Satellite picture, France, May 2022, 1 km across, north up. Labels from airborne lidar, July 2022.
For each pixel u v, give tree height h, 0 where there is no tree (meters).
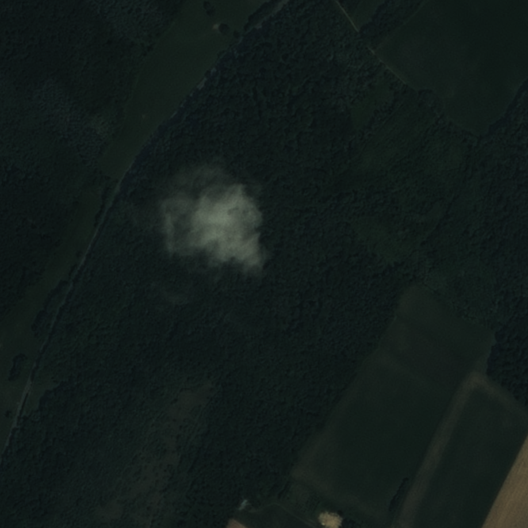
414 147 7
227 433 15
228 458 13
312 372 18
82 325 15
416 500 0
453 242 19
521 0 0
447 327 0
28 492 10
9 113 15
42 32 19
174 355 13
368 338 15
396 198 10
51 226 21
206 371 7
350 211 17
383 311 16
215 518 12
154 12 23
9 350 0
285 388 12
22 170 6
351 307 14
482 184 12
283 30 21
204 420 5
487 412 0
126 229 21
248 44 23
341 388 12
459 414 0
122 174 0
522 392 24
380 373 0
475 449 0
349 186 11
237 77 26
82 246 0
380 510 0
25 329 0
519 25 0
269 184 18
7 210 17
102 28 14
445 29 0
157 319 18
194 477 11
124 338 21
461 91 0
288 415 17
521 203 11
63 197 13
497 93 0
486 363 0
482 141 13
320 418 18
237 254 12
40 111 26
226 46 0
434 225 6
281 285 12
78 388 17
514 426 0
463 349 0
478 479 0
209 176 18
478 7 0
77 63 8
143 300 20
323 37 20
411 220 9
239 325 14
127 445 6
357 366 16
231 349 16
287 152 20
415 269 10
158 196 23
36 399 0
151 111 0
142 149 0
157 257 19
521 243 20
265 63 26
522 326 27
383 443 0
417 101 9
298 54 22
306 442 12
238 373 14
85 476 6
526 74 0
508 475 0
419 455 0
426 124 6
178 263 22
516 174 13
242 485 15
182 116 24
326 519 0
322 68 27
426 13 0
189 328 14
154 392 13
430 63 0
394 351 0
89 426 11
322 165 24
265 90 23
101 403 7
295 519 0
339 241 16
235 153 20
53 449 12
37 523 14
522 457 0
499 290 15
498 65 0
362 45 16
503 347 17
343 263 20
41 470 12
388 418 0
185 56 0
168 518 0
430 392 0
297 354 17
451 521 0
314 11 18
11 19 20
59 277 0
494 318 16
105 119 23
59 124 24
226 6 0
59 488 6
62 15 19
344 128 26
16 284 21
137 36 28
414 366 0
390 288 19
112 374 17
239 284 12
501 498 0
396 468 0
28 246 20
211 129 24
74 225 0
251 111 25
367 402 0
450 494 0
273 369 13
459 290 19
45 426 16
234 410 13
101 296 18
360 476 0
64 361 11
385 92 0
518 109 21
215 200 18
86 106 11
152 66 0
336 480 0
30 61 18
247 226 10
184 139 29
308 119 21
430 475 0
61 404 17
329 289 19
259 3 0
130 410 5
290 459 17
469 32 0
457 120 0
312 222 21
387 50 0
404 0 18
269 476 19
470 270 19
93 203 0
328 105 26
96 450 6
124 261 13
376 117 12
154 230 15
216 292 15
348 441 0
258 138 26
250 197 12
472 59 0
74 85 12
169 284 21
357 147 24
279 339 20
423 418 0
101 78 15
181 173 19
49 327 17
